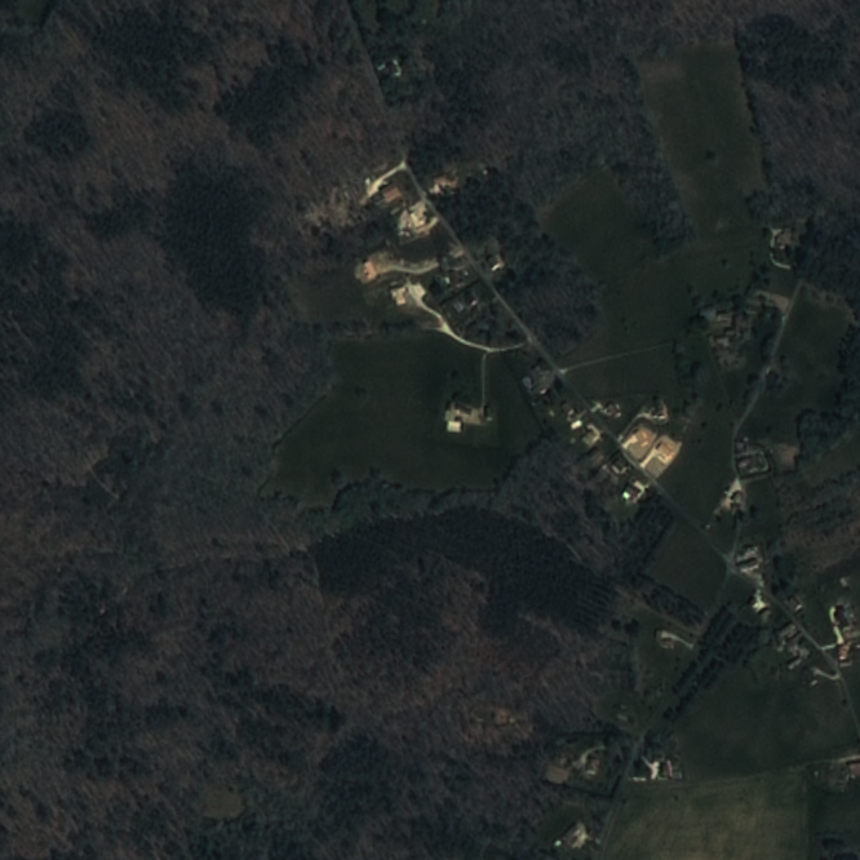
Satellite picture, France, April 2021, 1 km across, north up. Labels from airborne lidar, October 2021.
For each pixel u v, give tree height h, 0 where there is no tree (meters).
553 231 0
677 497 0
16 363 16
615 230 0
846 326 0
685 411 7
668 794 0
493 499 13
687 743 0
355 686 12
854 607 0
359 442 0
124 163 15
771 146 19
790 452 0
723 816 0
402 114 17
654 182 13
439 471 0
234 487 17
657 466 0
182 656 9
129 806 17
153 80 21
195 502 14
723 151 0
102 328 17
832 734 0
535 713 11
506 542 11
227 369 21
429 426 0
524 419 0
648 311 0
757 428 0
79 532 14
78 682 10
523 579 14
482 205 22
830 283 26
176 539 17
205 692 16
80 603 14
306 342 15
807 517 7
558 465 17
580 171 13
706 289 0
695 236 8
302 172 17
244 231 21
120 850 16
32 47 20
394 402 0
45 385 21
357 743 13
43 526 18
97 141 14
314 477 0
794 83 26
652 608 17
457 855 21
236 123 16
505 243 22
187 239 21
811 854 0
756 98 19
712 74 0
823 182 17
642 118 16
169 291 17
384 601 13
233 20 15
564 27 22
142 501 11
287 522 15
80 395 23
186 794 17
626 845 0
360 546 13
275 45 13
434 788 15
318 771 14
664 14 18
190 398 14
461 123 9
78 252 18
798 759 0
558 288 20
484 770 14
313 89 16
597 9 9
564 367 0
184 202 21
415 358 0
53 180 12
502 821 15
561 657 14
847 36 24
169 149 17
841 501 12
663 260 11
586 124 19
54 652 10
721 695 0
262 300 23
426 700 13
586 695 11
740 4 18
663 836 0
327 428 0
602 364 0
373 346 0
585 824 8
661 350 0
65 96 21
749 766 0
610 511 8
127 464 7
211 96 12
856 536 7
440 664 13
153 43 19
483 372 0
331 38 8
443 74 15
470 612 10
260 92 18
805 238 0
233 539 15
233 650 12
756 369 0
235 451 14
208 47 19
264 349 20
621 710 6
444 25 14
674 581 0
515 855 12
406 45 10
